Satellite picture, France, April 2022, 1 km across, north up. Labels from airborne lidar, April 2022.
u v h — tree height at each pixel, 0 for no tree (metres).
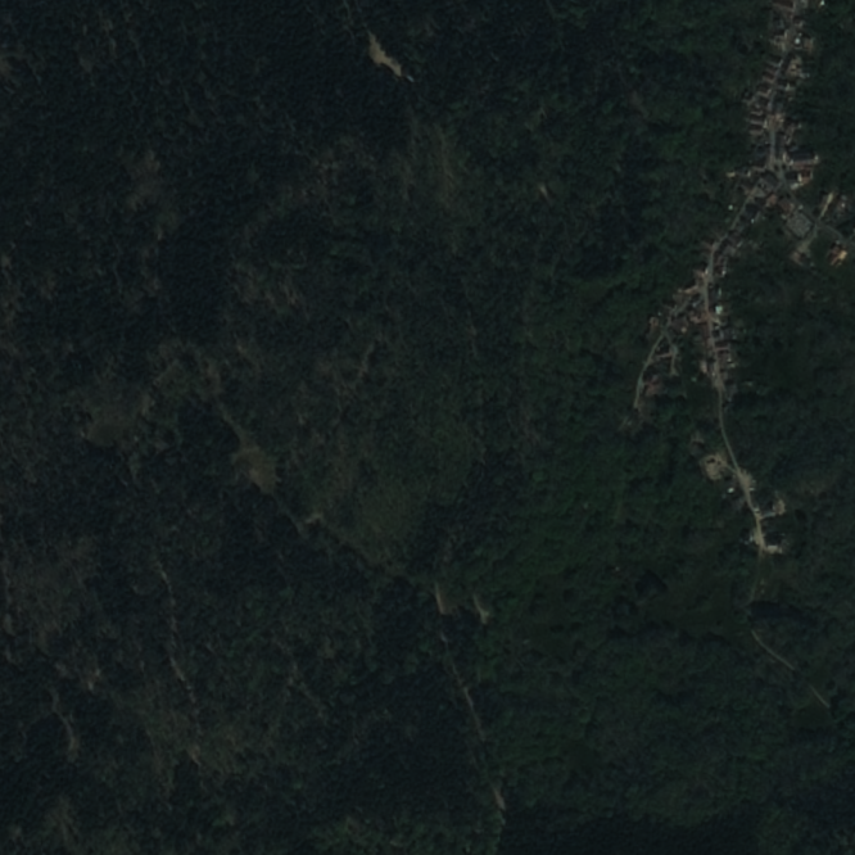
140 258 21
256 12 30
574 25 25
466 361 22
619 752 19
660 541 16
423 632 28
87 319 32
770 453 14
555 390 25
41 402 27
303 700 26
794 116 7
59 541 24
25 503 27
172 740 23
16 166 30
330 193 28
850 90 31
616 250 30
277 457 26
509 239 28
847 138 8
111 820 22
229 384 15
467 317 26
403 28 30
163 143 29
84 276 34
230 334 27
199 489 28
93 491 31
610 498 24
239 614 26
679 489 25
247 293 25
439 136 27
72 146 29
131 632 25
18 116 29
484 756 27
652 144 30
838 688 9
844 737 9
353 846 24
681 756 22
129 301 29
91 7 24
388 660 33
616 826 26
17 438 21
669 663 12
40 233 29
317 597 25
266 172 28
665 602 0
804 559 12
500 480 27
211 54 31
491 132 29
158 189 31
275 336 25
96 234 33
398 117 30
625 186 27
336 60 31
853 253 0
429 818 26
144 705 24
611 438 24
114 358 30
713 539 17
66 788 26
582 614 18
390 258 34
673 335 9
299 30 27
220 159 31
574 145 20
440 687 30
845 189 12
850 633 16
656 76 28
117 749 25
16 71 24
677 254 12
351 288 26
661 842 24
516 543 28
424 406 22
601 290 0
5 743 28
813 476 23
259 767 26
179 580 26
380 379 15
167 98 34
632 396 0
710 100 25
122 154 32
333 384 23
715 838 21
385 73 12
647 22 22
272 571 30
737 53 17
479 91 30
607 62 26
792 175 0
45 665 27
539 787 19
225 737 25
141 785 26
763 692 23
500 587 21
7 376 29
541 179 28
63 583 26
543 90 27
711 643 16
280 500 23
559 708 20
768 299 16
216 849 27
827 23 6
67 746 23
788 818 14
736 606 15
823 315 7
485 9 25
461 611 0
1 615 26
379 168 28
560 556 21
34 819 24
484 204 27
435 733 30
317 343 23
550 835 22
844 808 27
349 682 9
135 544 26
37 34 30
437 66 28
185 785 28
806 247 0
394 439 26
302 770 16
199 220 27
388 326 24
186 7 34
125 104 31
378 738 29
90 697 22
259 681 29
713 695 22
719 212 6
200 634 25
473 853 11
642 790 21
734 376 8
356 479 22
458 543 15
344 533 21
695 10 28
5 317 24
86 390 27
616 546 22
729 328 0
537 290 30
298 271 25
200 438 33
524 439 23
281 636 24
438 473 24
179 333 26
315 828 26
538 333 29
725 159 17
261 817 31
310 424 15
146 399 23
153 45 34
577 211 31
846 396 21
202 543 28
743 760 21
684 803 18
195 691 22
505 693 22
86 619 30
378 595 28
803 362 0
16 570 24
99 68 25
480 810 26
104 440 0
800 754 20
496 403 28
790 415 22
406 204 29
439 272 24
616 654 21
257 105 30
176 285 27
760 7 12
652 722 22
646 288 18
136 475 25
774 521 15
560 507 20
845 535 12
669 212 23
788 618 20
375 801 29
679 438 11
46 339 29
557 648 0
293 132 29
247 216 28
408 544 25
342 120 28
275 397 26
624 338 20
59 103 27
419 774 30
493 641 17
